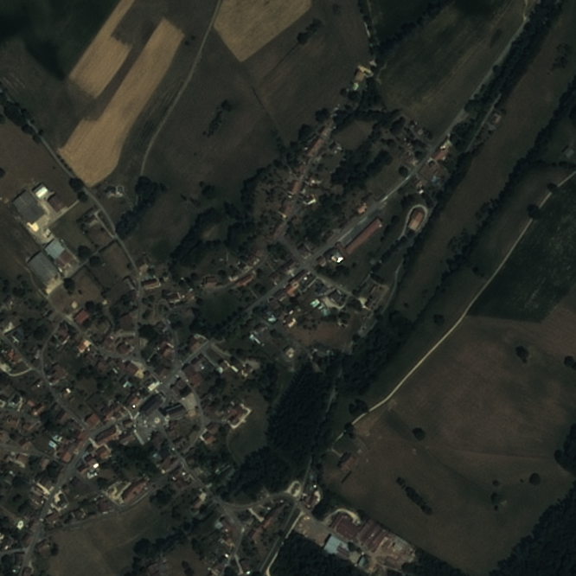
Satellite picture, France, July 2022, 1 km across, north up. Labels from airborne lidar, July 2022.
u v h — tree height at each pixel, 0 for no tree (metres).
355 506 0
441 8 18
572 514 30
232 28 0
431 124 0
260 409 0
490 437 0
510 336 0
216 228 0
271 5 0
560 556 25
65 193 0
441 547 0
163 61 0
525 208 0
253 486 14
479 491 0
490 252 0
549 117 0
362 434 0
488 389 0
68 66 0
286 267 0
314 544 13
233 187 0
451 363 0
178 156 0
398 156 0
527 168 22
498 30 0
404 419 0
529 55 26
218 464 13
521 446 0
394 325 12
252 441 0
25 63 0
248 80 0
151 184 22
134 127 0
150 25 0
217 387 9
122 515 0
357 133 0
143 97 0
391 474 0
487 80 0
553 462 0
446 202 12
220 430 7
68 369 0
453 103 0
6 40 0
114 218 0
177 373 0
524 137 0
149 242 0
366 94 11
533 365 0
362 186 11
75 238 0
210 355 0
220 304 0
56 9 0
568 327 0
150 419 0
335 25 0
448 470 0
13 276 0
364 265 0
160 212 0
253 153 0
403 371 0
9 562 14
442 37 0
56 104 0
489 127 7
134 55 0
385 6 0
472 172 0
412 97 0
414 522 0
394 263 0
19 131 0
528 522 0
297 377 0
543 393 0
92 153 0
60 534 0
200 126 0
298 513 0
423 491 0
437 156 0
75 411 0
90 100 0
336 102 0
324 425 17
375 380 19
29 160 0
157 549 23
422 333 0
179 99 0
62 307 0
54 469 15
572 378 0
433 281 0
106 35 0
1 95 14
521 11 0
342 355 15
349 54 0
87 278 0
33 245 0
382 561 0
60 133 0
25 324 7
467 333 0
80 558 0
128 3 0
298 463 7
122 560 0
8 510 0
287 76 0
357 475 0
